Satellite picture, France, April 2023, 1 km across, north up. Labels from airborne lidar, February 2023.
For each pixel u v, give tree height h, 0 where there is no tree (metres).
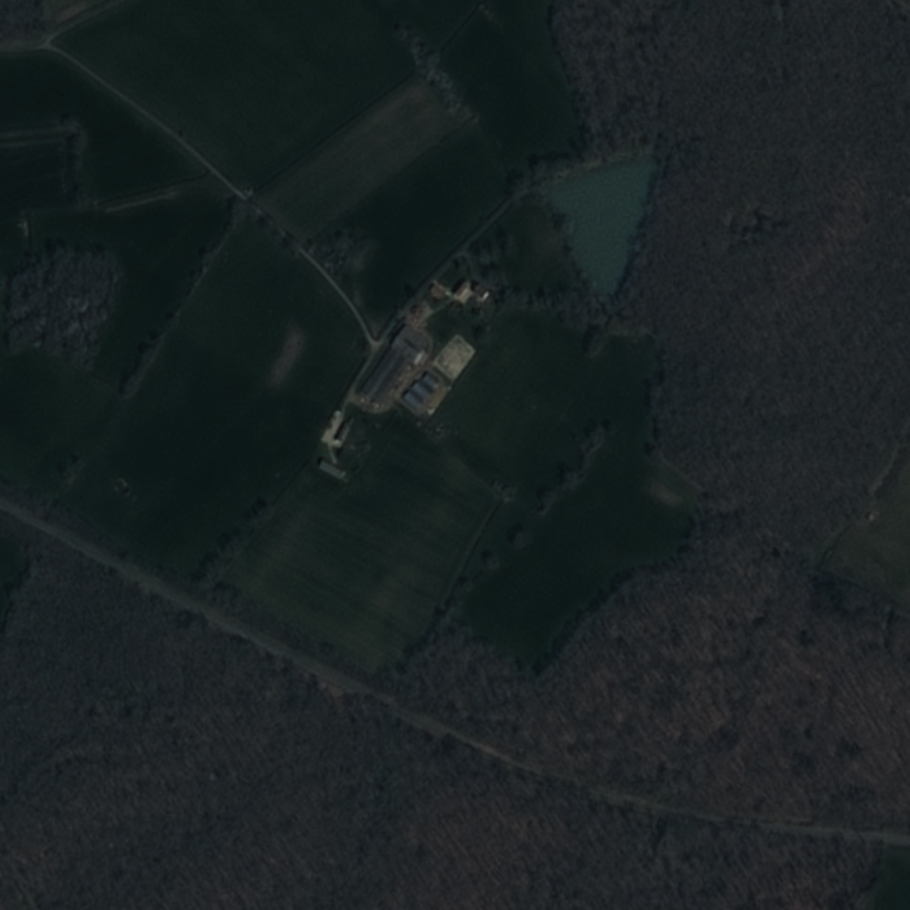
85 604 13
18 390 0
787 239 14
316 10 0
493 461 0
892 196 15
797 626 22
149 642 20
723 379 23
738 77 19
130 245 0
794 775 19
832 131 16
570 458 0
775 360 23
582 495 0
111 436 0
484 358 0
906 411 18
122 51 0
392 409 0
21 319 19
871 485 24
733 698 28
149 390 0
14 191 0
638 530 0
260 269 0
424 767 18
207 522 0
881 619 22
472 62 0
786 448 26
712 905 24
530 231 0
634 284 19
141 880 20
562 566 0
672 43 24
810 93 21
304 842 25
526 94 0
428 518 0
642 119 24
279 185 0
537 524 0
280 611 0
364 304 0
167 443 0
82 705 19
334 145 0
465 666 23
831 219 16
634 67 23
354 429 0
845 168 21
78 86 0
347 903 18
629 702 25
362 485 0
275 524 0
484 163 0
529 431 0
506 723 26
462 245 0
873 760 27
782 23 10
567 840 23
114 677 19
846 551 0
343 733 20
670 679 25
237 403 0
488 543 0
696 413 21
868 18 15
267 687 21
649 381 0
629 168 0
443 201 0
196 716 26
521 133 0
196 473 0
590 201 0
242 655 21
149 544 0
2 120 0
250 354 0
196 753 26
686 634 27
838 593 25
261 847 25
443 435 0
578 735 26
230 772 24
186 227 0
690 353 16
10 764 17
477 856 26
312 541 0
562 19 18
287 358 0
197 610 0
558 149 0
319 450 0
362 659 0
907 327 21
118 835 21
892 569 0
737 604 24
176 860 22
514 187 16
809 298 19
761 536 22
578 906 23
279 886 21
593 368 0
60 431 0
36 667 17
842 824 20
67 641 16
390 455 0
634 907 20
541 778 0
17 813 19
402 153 0
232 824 16
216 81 0
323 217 0
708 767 20
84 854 22
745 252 14
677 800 15
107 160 0
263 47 0
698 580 21
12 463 0
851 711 22
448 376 0
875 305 21
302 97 0
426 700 19
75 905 17
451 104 6
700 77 18
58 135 0
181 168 0
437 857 20
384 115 0
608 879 21
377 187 0
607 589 0
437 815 24
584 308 18
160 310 0
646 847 24
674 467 10
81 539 16
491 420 0
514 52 0
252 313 0
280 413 0
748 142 16
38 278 20
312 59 0
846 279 17
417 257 0
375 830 18
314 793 26
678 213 18
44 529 0
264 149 0
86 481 0
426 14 0
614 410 0
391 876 18
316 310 0
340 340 0
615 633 24
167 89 0
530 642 0
